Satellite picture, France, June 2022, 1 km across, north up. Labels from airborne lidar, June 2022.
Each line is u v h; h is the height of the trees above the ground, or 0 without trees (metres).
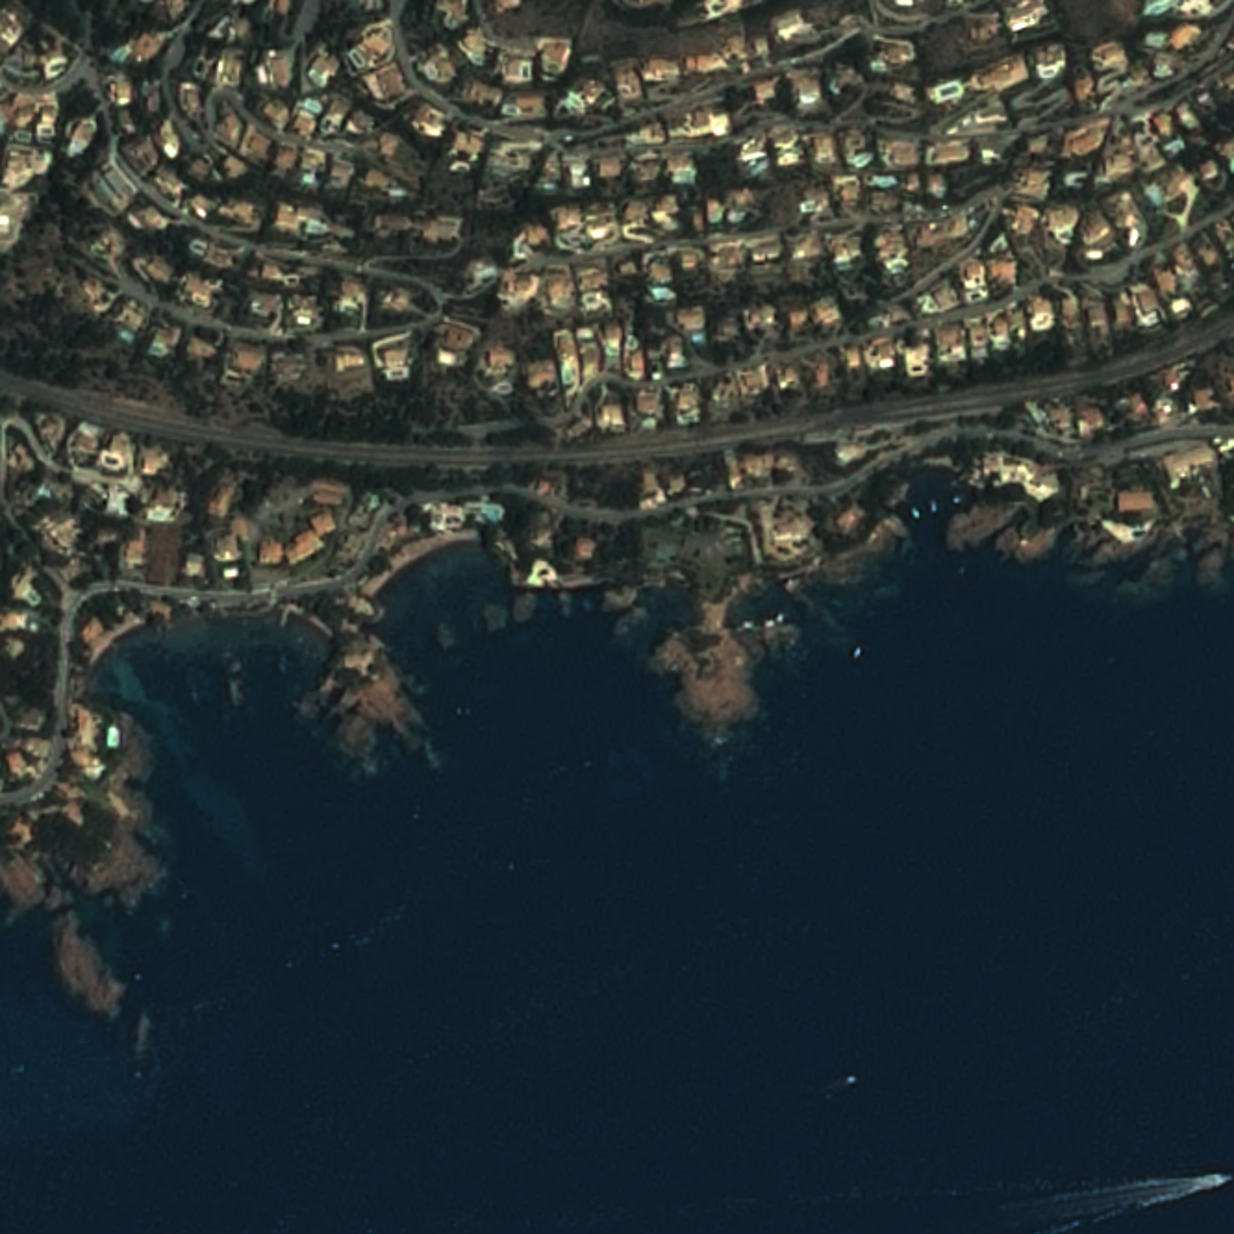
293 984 0
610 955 0
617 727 0
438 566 0
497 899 0
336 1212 0
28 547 15
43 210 7
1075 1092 0
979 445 9
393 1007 0
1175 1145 0
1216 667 0
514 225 7
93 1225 0
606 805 0
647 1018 0
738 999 0
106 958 0
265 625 0
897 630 0
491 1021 0
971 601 0
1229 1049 0
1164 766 0
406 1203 0
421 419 6
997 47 0
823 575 0
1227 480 6
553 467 8
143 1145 0
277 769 0
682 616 0
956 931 0
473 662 0
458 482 10
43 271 0
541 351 6
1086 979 0
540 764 0
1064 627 0
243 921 0
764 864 0
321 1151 0
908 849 0
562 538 10
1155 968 0
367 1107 0
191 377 6
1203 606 0
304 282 6
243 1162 0
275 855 0
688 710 0
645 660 0
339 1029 0
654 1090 0
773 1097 0
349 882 0
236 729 0
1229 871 0
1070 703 0
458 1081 0
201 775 0
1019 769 0
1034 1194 0
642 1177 0
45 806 7
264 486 11
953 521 0
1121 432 10
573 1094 0
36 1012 0
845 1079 0
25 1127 0
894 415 0
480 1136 0
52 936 0
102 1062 0
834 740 0
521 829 0
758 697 0
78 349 9
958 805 0
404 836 0
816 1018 0
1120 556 0
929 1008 0
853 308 8
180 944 0
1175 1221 0
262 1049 0
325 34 9
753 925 0
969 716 0
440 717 0
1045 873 0
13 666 7
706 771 0
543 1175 0
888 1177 0
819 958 0
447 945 0
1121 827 0
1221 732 0
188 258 7
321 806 0
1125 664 0
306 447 0
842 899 0
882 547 0
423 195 7
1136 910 0
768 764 0
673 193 8
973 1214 0
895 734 0
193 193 7
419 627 0
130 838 0
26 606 12
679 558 8
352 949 0
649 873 0
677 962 0
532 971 0
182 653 0
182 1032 0
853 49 8
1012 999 0
